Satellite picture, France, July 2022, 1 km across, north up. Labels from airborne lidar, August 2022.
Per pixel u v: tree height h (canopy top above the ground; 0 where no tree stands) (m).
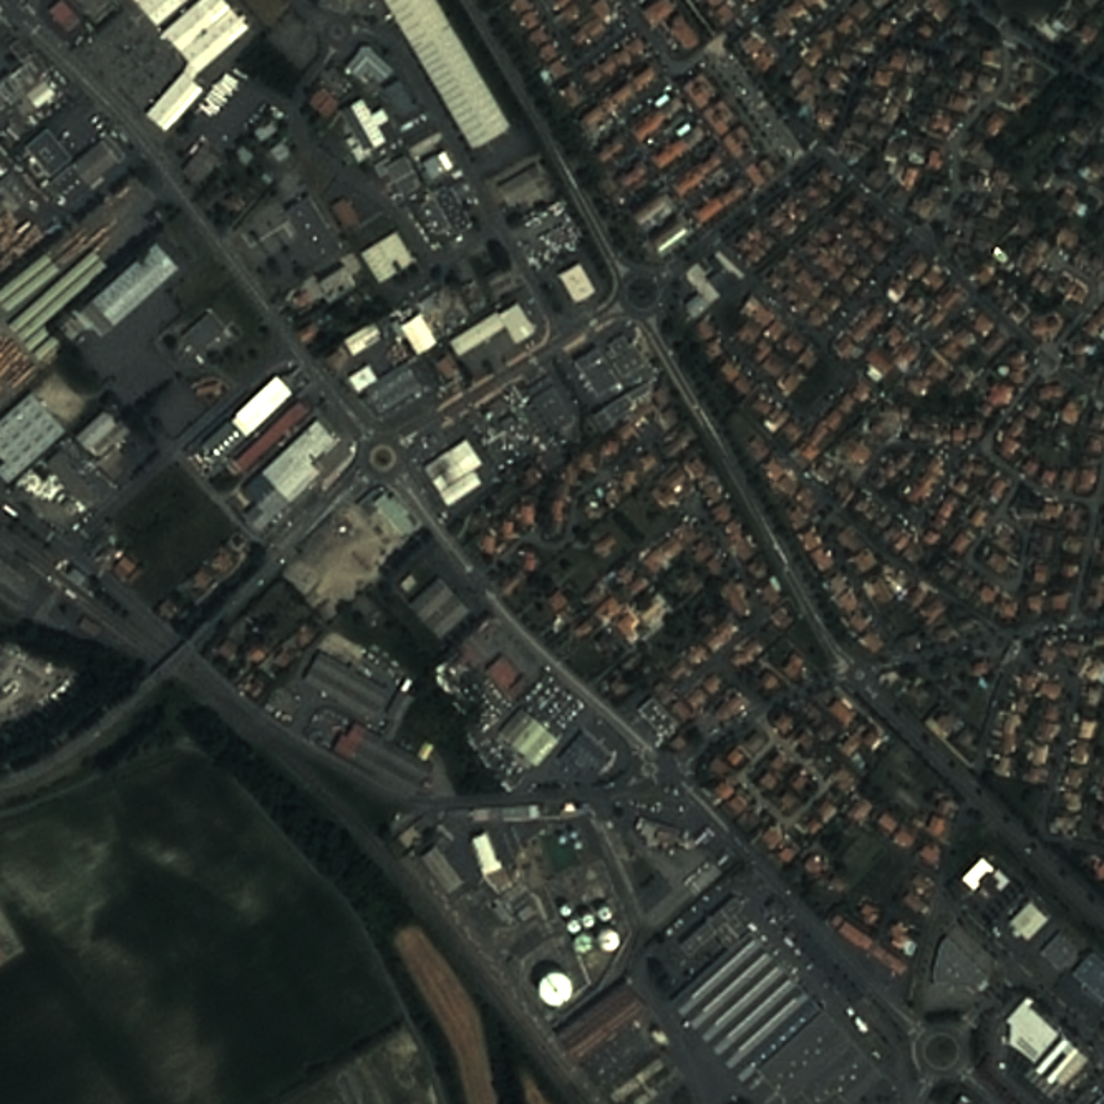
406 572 0
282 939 0
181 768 0
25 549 0
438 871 0
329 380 0
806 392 0
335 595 0
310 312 6
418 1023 15
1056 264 0
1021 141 7
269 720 0
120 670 9
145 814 0
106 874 0
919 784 0
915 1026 0
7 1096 0
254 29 0
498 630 0
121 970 0
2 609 0
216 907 0
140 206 0
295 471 0
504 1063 7
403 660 0
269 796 7
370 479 0
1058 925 0
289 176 0
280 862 0
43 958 0
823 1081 0
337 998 0
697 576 7
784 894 0
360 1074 0
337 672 0
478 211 0
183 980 0
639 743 0
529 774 0
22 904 0
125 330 0
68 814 0
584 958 0
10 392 0
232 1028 0
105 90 0
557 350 0
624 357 0
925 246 0
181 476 0
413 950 0
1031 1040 0
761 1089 0
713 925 0
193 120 10
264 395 0
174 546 0
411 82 0
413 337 0
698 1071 0
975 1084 0
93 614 0
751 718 0
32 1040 0
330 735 0
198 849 0
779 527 9
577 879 0
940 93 8
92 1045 0
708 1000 0
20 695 0
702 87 0
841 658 0
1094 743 6
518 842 0
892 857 0
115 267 16
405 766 0
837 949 0
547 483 7
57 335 9
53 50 0
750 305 0
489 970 0
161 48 0
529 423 0
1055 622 7
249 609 5
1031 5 0
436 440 0
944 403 6
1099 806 7
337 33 0
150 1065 0
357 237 0
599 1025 0
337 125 0
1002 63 0
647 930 0
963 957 0
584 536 6
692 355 8
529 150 0
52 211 0
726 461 0
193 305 0
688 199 0
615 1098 0
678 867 0
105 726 0
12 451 0
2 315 0
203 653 8
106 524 0
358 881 7
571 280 0
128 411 13
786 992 0
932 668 11
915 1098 0
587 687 0
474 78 0
